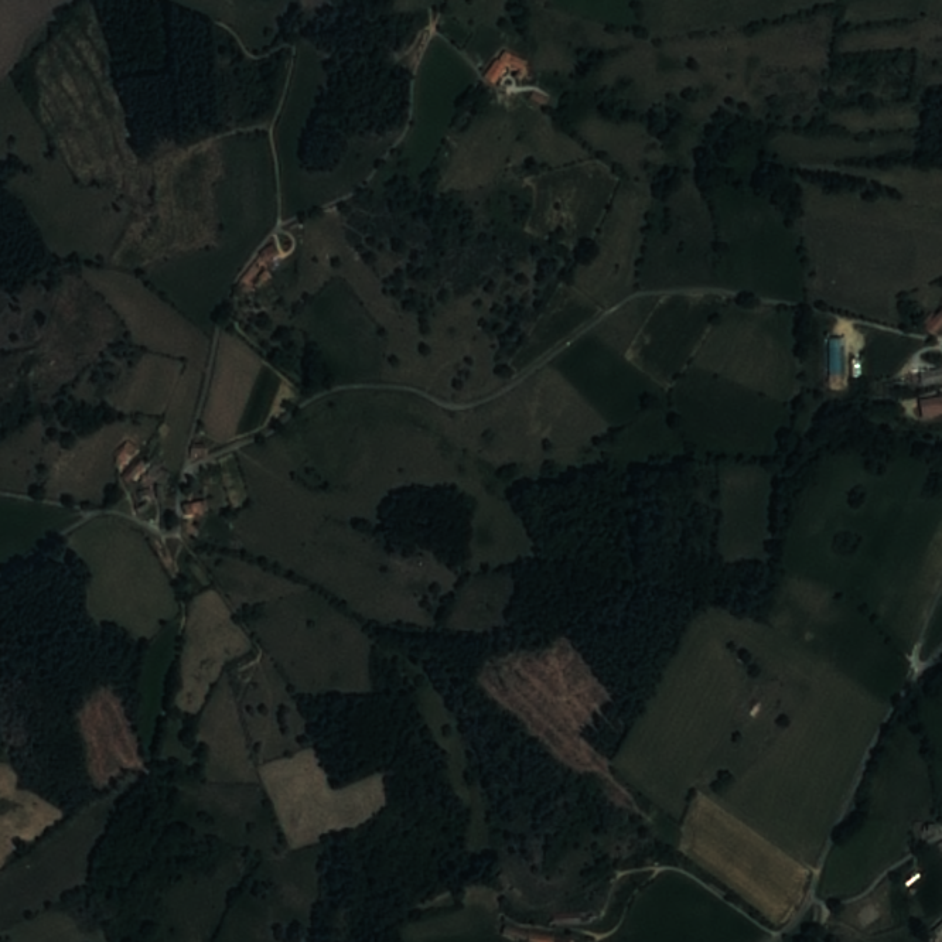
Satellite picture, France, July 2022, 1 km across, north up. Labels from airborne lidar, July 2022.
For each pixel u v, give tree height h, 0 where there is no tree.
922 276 0
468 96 12
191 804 0
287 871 0
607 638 28
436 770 20
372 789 0
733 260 0
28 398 7
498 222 8
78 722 16
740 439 0
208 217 0
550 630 10
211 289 0
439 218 11
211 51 27
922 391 8
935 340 10
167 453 0
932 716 0
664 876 0
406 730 17
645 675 32
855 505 13
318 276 0
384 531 17
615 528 14
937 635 0
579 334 0
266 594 0
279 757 0
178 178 0
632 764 0
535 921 8
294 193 0
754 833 0
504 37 0
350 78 11
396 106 13
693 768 0
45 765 11
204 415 0
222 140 0
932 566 0
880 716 0
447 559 11
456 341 0
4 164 15
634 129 0
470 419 0
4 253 25
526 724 8
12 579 29
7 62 0
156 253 0
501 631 16
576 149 0
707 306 0
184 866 20
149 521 0
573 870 0
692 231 0
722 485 6
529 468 0
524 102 0
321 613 0
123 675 18
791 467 18
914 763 0
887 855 0
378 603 0
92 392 0
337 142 19
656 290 0
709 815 0
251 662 0
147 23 13
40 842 10
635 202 0
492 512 0
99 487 0
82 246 0
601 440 15
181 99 29
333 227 0
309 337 7
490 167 0
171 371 0
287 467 0
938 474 11
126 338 7
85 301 0
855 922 0
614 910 0
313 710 17
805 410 13
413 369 0
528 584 14
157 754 16
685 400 0
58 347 0
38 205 0
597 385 0
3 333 0
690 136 0
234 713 0
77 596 24
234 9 0
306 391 11
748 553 0
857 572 0
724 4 0
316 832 0
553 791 7
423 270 10
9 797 0
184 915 0
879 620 12
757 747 0
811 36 0
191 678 0
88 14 0
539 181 0
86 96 0
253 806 0
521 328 11
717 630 0
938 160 17
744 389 0
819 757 0
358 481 0
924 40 0
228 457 0
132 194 0
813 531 0
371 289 0
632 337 0
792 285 0
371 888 19
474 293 0
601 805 14
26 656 28
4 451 0
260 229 0
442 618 13
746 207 0
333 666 0
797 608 0
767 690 0
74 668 30
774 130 6
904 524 0
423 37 0
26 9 0
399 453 0
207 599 0
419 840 11
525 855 12
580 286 0
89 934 0
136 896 20
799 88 0
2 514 0
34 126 0
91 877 11
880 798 0
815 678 0
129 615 0
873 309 0
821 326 0
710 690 0
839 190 23
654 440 0
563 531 15
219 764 0
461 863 13
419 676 7
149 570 0
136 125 20
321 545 0
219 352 0
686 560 15
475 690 13
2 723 11
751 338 0
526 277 13
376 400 0
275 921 0
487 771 12
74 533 0
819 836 0
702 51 0
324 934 26
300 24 6
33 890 0
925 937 19
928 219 0
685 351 0
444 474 0
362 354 0
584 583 18
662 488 23
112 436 0
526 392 0
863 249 0
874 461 12
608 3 0
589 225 0
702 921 0
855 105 8
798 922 0
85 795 16
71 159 0
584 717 0
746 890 0
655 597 31
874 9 0
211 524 0
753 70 0
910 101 9
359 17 14
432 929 0
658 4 0
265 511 0
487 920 0
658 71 0
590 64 9
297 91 0
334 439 0
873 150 0
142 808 10
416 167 0
